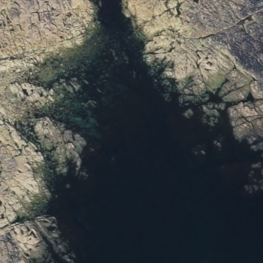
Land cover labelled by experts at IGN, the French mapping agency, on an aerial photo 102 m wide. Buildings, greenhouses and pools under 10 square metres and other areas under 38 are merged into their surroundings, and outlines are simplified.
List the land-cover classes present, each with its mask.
<instances>
[{"label":"water","instance_id":"1","mask_svg":"<svg viewBox=\"0 0 263 263\"><path fill-rule=\"evenodd\" d=\"M93 9L92 21L96 26L92 36L85 40L91 47L90 53L83 55L77 61V67L64 78L66 81L77 78L80 87L73 91L74 97L70 101V106L63 105V110H53L55 115L60 116L59 122L63 123L67 130L80 135L85 141L79 154L80 168L76 170L74 156L66 158V161H59L50 155L43 159L42 180L50 197L41 209H36L35 217H55L57 226H48L46 230L57 231L58 236L54 237V242L51 243L44 234L41 235L40 238L46 247L41 257L29 259L28 263H263V137L256 135L253 143L236 138L229 112L224 109L218 111V122L212 126L193 115L186 117L179 100L166 102L154 88L150 66L143 55L146 43L134 34L130 18L123 13L122 0H89Z\"/></svg>","mask_w":263,"mask_h":263},{"label":"bare soil","instance_id":"2","mask_svg":"<svg viewBox=\"0 0 263 263\"><path fill-rule=\"evenodd\" d=\"M93 9L89 0H0V263H28L29 259L41 257L46 247L40 238L41 235L44 234L51 243L54 242V237L58 236L57 231L46 230L48 226H57L55 217H35L36 209H41L50 197L42 180L43 159L50 155L59 161H66V158L74 156L76 170L80 168L79 154L85 141L80 135L67 130L63 123L59 122L60 116L55 115L53 110H63V105L70 106V101L74 97L73 91L80 87L77 78L66 81L64 78L77 67V61L83 55L90 53L91 47L85 40L92 36L96 26L92 21ZM123 13L130 18L134 34L146 43L143 55L150 66L154 88L166 102L179 100L186 117L193 115L212 126L218 122V111L224 109L229 112L236 138L253 143L256 135L263 137V0H122Z\"/></svg>","mask_w":263,"mask_h":263}]
</instances>
